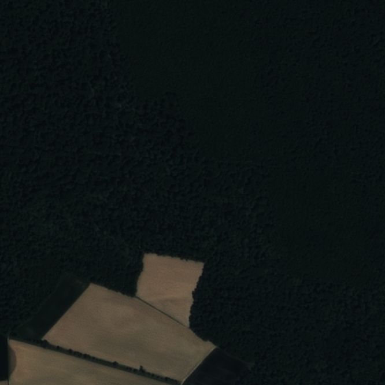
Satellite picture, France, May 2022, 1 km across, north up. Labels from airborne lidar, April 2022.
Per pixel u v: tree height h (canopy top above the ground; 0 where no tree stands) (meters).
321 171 25
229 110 18
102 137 32
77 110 15
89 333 0
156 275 0
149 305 0
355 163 24
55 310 0
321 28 25
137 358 0
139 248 19
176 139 7
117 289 18
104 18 26
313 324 26
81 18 22
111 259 26
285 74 24
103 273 25
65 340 0
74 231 19
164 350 0
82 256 27
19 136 15
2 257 24
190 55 16
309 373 27
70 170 26
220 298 16
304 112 22
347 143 26
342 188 22
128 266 25
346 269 21
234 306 11
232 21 19
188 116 18
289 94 22
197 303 14
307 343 26
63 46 24
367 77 26
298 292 26
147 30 15
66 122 8
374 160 24
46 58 27
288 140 22
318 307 26
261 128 19
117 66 27
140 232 27
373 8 22
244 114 18
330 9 25
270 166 18
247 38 19
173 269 0
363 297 24
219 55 19
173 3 16
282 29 27
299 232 19
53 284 12
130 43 15
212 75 18
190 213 16
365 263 22
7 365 0
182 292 0
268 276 25
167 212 25
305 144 22
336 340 34
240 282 27
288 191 21
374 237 24
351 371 24
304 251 19
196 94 15
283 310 21
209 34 20
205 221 19
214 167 26
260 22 22
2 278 23
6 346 0
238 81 16
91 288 0
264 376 19
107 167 27
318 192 27
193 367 0
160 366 0
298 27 23
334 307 22
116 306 0
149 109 11
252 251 25
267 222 16
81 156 33
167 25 16
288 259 19
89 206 27
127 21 14
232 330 7
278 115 23
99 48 22
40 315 0
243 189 24
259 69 20
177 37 18
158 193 26
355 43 23
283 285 27
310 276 20
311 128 20
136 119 6
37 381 0
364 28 26
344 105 25
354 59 24
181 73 17
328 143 26
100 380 0
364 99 28
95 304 0
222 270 23
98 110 17
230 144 17
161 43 17
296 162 23
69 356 0
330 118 27
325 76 24
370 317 26
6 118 30
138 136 28
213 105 15
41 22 23
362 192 23
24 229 13
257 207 29
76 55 29
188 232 21
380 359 23
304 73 25
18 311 11
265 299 28
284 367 22
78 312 0
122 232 25
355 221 23
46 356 0
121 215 29
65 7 24
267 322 20
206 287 21
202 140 19
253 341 22
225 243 26
